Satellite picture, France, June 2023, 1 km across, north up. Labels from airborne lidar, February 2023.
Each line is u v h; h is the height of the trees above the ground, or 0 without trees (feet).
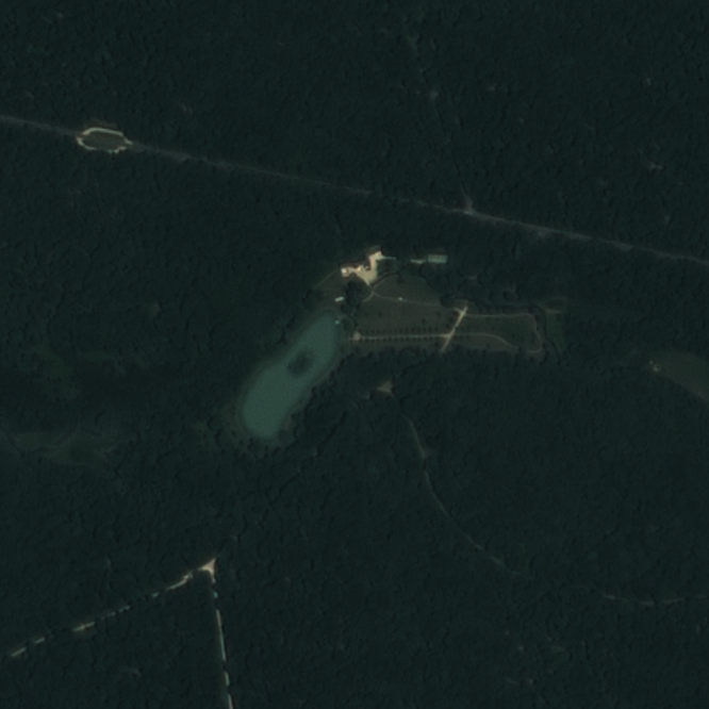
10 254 68
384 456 74
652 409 71
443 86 56
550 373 57
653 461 78
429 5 65
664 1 66
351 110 67
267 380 0
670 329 40
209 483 84
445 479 64
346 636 47
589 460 67
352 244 56
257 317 52
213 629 69
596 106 74
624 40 66
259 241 81
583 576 75
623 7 68
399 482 68
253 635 58
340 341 0
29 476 69
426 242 72
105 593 74
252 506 82
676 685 56
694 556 59
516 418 53
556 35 68
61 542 94
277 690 66
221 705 76
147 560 74
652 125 48
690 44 54
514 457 71
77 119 75
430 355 51
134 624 73
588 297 67
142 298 71
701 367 0
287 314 54
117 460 30
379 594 54
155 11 78
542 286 75
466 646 70
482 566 73
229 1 73
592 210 73
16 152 53
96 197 56
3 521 68
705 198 67
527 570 48
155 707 87
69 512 72
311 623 69
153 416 25
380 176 69
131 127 67
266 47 76
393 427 82
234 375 55
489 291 63
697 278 55
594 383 64
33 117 46
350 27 71
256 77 68
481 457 79
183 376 34
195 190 84
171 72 68
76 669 71
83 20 72
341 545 71
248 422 0
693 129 70
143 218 68
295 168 51
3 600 41
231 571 79
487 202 59
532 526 68
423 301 0
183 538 71
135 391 24
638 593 80
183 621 81
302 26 71
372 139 59
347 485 77
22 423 38
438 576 68
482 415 70
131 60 85
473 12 79
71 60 82
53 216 61
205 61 79
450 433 75
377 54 68
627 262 80
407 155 62
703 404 22
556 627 83
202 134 87
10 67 77
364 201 59
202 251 64
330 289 0
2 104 46
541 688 76
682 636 58
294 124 83
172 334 70
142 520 71
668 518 55
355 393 70
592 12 63
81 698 86
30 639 61
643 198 74
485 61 64
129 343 76
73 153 57
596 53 46
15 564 65
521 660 76
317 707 79
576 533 66
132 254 74
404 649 79
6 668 63
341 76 68
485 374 59
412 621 54
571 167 74
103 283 75
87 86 76
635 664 88
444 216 50
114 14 79
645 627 56
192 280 60
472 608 71
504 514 65
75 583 81
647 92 63
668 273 58
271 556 75
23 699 60
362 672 84
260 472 65
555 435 57
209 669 78
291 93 65
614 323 34
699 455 60
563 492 61
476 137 69
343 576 86
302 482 71
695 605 68
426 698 72
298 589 59
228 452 52
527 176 78
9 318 63
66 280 60
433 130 71
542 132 60
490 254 63
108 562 90
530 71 70
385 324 0
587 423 63
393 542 82
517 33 76
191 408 42
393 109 74
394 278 0
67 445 0
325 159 62
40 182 55
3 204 53
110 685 80
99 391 20
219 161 72
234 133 78
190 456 84
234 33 66
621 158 80
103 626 72
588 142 66
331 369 0
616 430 76
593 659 78
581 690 74
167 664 63
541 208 63
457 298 39
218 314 37
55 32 82
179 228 74
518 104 64
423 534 51
